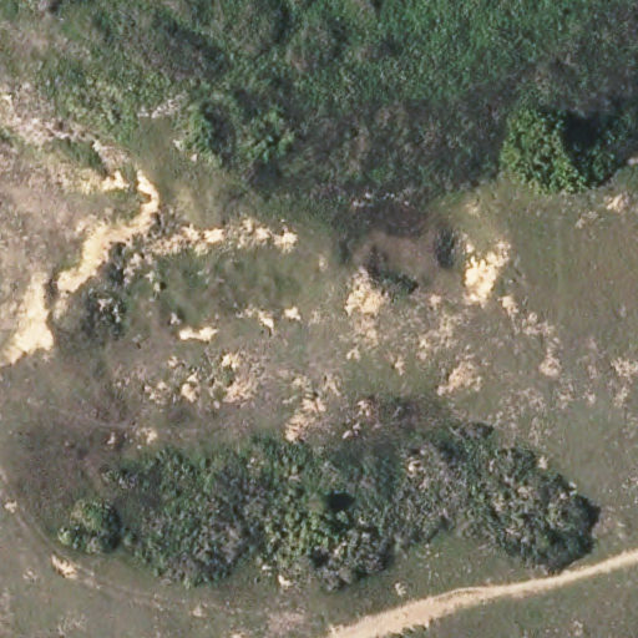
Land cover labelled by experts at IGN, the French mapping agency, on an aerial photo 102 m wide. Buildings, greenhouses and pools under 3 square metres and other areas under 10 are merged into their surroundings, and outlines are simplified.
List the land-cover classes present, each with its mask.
<instances>
[{"label":"herbaceous vegetation","instance_id":"1","mask_svg":"<svg viewBox=\"0 0 638 638\"><path fill-rule=\"evenodd\" d=\"M160 7H167L169 12L179 10L177 0H0V85H7L17 117H37L42 122L52 120L67 140L87 142L95 147V142H102L107 147H122L125 155L140 157L147 179L157 187L164 202H172L169 214H177L184 227L209 232L222 229L234 219L252 217L262 227L274 229L279 234L292 232L294 244L292 249H282L274 242L264 239L249 249H222L214 242L204 254H194V249L162 254L157 259L160 292H152L147 277L140 272L132 274V284H125V269L130 257L125 252V244L117 242L112 244L107 262L97 267L110 279V284L107 289H95L85 294V317L80 326L70 329L75 334V341L70 344L65 336L60 341H52L55 354L50 356V361H42V354L32 349L25 351L10 366L0 369V638H326L334 626H351L366 616H376L429 596L449 593L454 588L501 586L551 576L543 566H533L531 561L518 556H508L496 546L479 543L476 538L466 541L464 533L474 526V506H466L464 511H459L456 528L436 538L434 543H421L414 551H406L394 541L386 543L379 558V573L371 576L366 573V568L359 566L354 568V573H349L346 568L326 571L324 566L329 556H324L321 551H312V558H294L292 568H279V591L274 593V598H269L259 608H234L229 601H214L212 586L197 588L189 581H182L172 586L169 578L160 576L157 571L135 576L112 553H105L97 541H72V528H95L100 523V518L112 508V501L127 491V486L122 483V471H150L155 459L162 461L164 469L174 466L182 451L194 461L197 456H202L199 436L212 446L229 444L232 436L224 429V421L219 419V411H197L182 396L179 386L164 391L162 414L142 416V401L125 396L120 389L112 386L110 369L115 364H122L135 369L137 351L142 349V344H147L150 336L160 339L164 331L179 334L182 329H204L202 321L209 314H239L247 307H259L269 314L274 309H292V302L302 292V287L324 284L319 269L321 254L351 269L354 274L356 269H366L371 287L379 294L389 299H404V304H409L416 289L439 297L444 289H459L466 297V264L486 259L496 242L511 244L508 262L498 269V277L486 302H481L474 309L471 319H464L451 331L454 346H449V351L456 356V364H474V371L481 376V389L469 391V386H459L456 391L441 396L449 404V411L456 421H476L493 426L498 446L533 449L536 459L548 464L558 456L561 476L568 481L573 491L581 493L576 496V506L583 513V521L593 526V551L583 563H598L623 551L638 553V157H628L626 167L618 169L608 184L588 187L581 194H573L571 187L561 192H548L546 187H541V182L526 179L521 172L508 174L506 169L493 182L481 179L476 189H471L466 182L459 192L444 194L441 199L431 202L426 214V234L419 239H401L386 232H376L361 217L359 209H351V197H346L344 192V182L331 179L329 184H314L309 192L302 189L299 194H274L272 202L262 199L249 184V177L254 174V162L247 160L234 172H224L219 160L212 155L209 122L199 115L197 105L187 100L179 105V110L160 120L140 117V107H157L177 92L187 95L192 92V87L209 90L204 72H169L167 60L157 55L155 47V42H162L164 32H157L150 25ZM503 297H513L518 314H536L538 321H548L558 331L561 344L553 354L558 361L556 376H546L541 371V364L546 359V336L516 334L503 309ZM274 613H304V621L294 623V628L287 633H274L269 628V618ZM12 142L15 147H20V155L25 160L37 157L32 142L17 137L12 127L0 125V145ZM125 187L112 189L115 207L110 224L132 222L142 212V204L150 202V194L140 192L135 167L122 164ZM384 638H638V561L633 566L581 578L551 591L528 593L518 598L503 596L476 606L456 608L454 613L429 621V626L406 628L401 633H391Z\"/></svg>","mask_w":638,"mask_h":638},{"label":"brushwood","instance_id":"2","mask_svg":"<svg viewBox=\"0 0 638 638\"><path fill-rule=\"evenodd\" d=\"M179 10L169 12L167 7H160L150 25L157 32H164L162 42H155V47L157 55L167 60L169 72H204L209 90L192 87V92L187 95V100L197 105L199 115L209 122L212 155L219 160L224 172H234L247 160L254 162V174L249 177V184L262 199L272 202L274 194H299L302 189L309 192L314 184H329L331 179L344 182V192L346 197H351V209H359L361 217L376 232H386L401 239H419L426 234V214L431 202L441 199L444 194L459 192L466 182L471 189H476L481 179L493 182L506 169L501 162V145L506 140V122L513 107L536 112L541 105H548L566 115L561 142L571 164L576 167V172L586 177L588 187L608 184L618 169L626 167L628 157H638V0H177ZM45 152L57 155L62 162H77L82 167H90L100 177H110V172L102 157L95 152V147L87 142L67 140L42 142ZM371 406V416L351 439H344V431L354 426V419L331 424L321 454H314L304 439L289 441L284 436L279 441L267 436V431L229 444L212 446L199 436L202 456H197L194 461L182 451L174 466L164 469L162 461L155 459L150 471H122V483L127 486V491L112 501V508L100 518V523L95 528H72V541H97L105 553H112L135 576L157 571L160 576L169 578L172 586L182 581H189L197 588L212 586L214 601H229L234 608H259L269 598H274V593L279 591V568H292L294 558H312V551H321L324 556H329L324 566L326 571L346 568L349 573H354V568L359 566L366 568V573L371 576L379 573V558L386 543L394 541L406 551H414L421 543H434L436 538L456 528L459 511H464L466 506H474V526L464 533L466 541L476 538L479 543L496 546L508 556H518L531 561L533 566H543L551 576L583 563L593 551V526L583 521V513L576 506V496L581 493L573 491L568 481L561 476L558 456L548 464L536 459L533 449L498 446L493 426L476 421H456L449 411V404L441 396L434 394L429 386L416 389L411 396H394L384 386H374V394H369L366 399Z\"/></svg>","mask_w":638,"mask_h":638},{"label":"bare soil","instance_id":"3","mask_svg":"<svg viewBox=\"0 0 638 638\"><path fill-rule=\"evenodd\" d=\"M0 125L12 127L17 137L32 142L37 157L25 160L20 155V147H15L12 142L0 145V369L10 366L25 351L32 349L42 354V361H50V356L55 354L52 341H60L65 336L70 344L75 341V334L70 329L80 326L85 317V294L95 289H107L110 284V279L97 267L107 262L112 244L117 242L125 244V252L130 257L125 269V284H132V274L140 272L147 277L152 292H160L157 259L162 254L194 249V254H204L214 242L222 249H249L264 239L274 242L282 249H292L294 244L292 232L279 234L274 229L262 227L252 217L234 219L222 229L209 232L184 227L177 214H169L172 202H164L157 187L147 179L140 157L125 155L122 147H107L102 142H95V152L102 157L110 172V177H100L90 167H82L77 162H62L57 155L45 152L42 142L67 140L52 120L42 122L37 117H17L7 85H0ZM122 164L135 167L140 192L150 194V202L142 204V212L132 222L110 224L115 207L112 189L125 187ZM187 100V95L177 92L157 107H140V117L160 120L179 110V105ZM511 244L496 242L486 259L466 264V297L459 289H444L439 297L416 289L409 304H404V299H389L379 294L371 287L366 269H356L354 274L351 269L321 254L319 269L324 284L302 287V292L292 302V309H274L269 314L259 307H247L239 314H209L202 321L204 329H182L179 334L164 331L160 339L150 336L147 344H142V349L137 351L135 369L122 364H115L110 369L112 386L120 389L125 396L142 401V416L162 414L164 391L179 386L182 396L197 411H219V419L224 421V429L232 436L229 444L267 431V436L279 441L284 436L289 441L304 439L314 454H321L331 424L354 419V426L344 431V439H351L371 416V406L366 399L369 394H374V386H384L394 396H411L416 389L429 386L434 394L441 396L456 391L459 386H469V391L481 389V376L474 371V364H456V356L449 351V346H454L451 331L464 319H471L474 309L481 302H486L498 277V269L508 262ZM503 309L516 334L546 336V359L541 364V371L546 376H556L558 361L553 354L561 344L558 331L548 321H538L536 314H518L513 297H503ZM304 621V613H274L269 618V628L274 633H287L294 628V623Z\"/></svg>","mask_w":638,"mask_h":638},{"label":"pervious surface","instance_id":"4","mask_svg":"<svg viewBox=\"0 0 638 638\"><path fill-rule=\"evenodd\" d=\"M638 561V553L623 551L598 563H583L551 576L501 586L454 588L449 593L429 596L376 616H366L351 626H334L326 638H384L391 633H401L406 628L429 626V621L454 613L456 608L476 606L503 596L518 598L528 593L551 591L581 578L633 566Z\"/></svg>","mask_w":638,"mask_h":638},{"label":"deciduous trees","instance_id":"5","mask_svg":"<svg viewBox=\"0 0 638 638\"><path fill-rule=\"evenodd\" d=\"M566 115L548 105H541L536 112L513 107L506 122V140L501 145V162L506 169L508 174L521 172L526 179L541 182V187H546L548 192H561L571 187L573 194H581L588 187L586 177L576 172V167L571 164L561 142Z\"/></svg>","mask_w":638,"mask_h":638}]
</instances>
